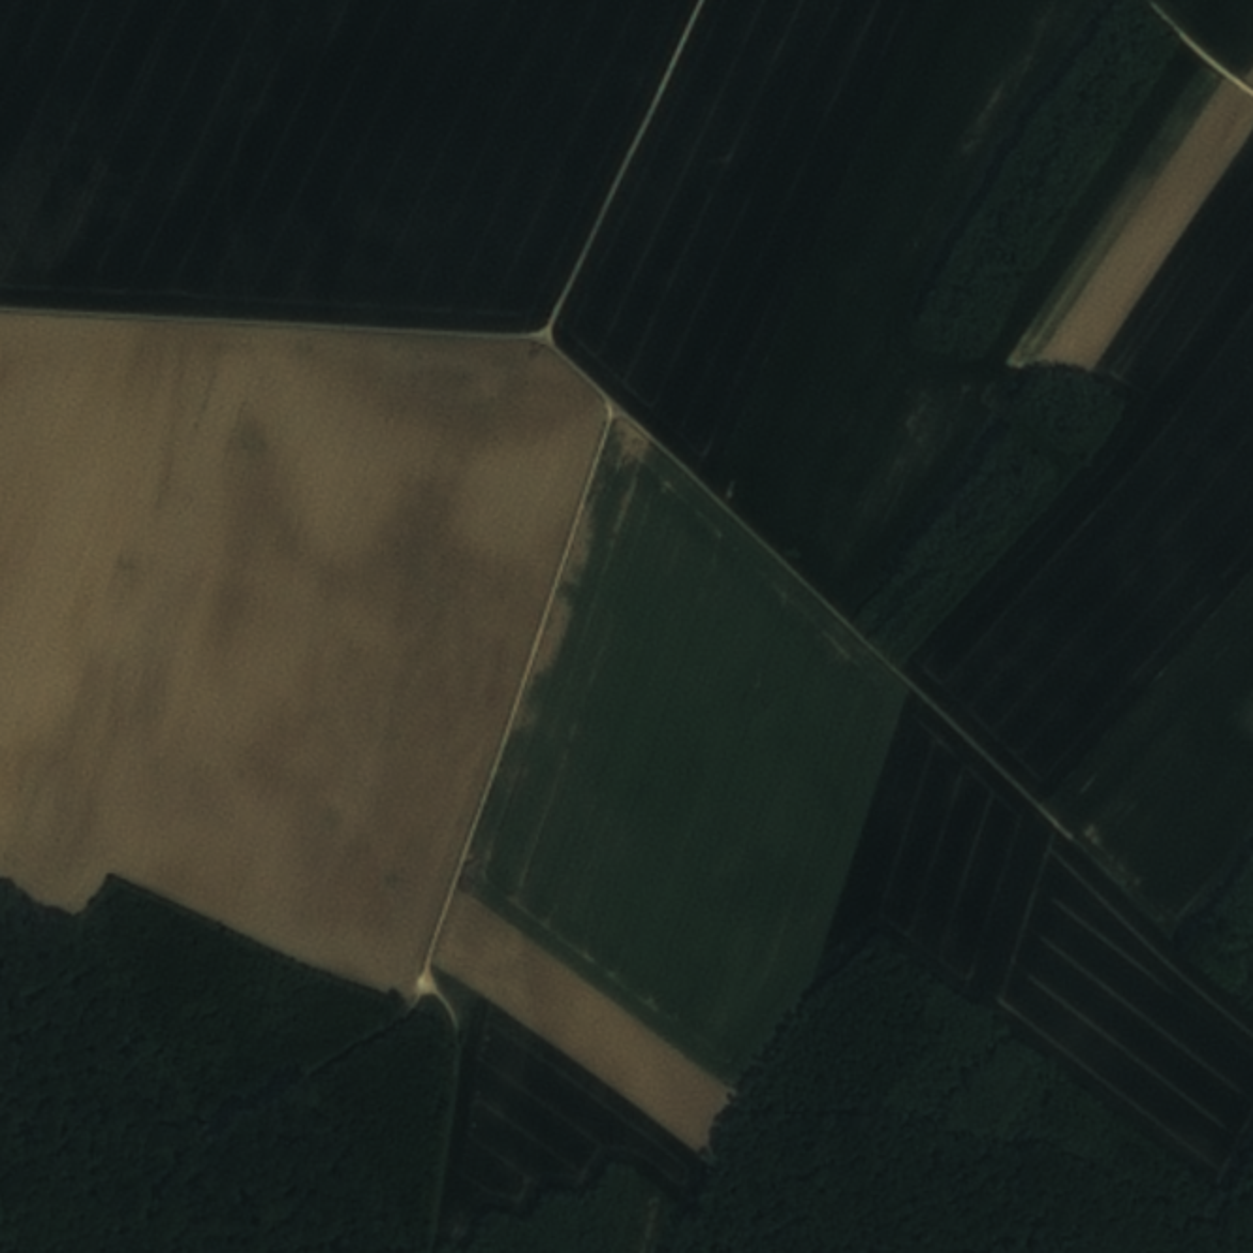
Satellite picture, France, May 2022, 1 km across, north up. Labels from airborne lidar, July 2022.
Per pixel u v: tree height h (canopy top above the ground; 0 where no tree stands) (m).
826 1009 12
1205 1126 0
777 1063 13
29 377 0
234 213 0
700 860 0
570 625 0
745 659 0
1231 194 0
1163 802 0
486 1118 0
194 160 0
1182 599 0
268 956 7
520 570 0
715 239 0
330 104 0
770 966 0
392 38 0
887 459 0
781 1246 19
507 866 0
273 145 0
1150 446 0
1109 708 0
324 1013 8
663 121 0
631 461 0
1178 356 0
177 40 0
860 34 0
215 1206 29
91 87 0
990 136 0
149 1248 29
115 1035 26
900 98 0
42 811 0
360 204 0
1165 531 0
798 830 0
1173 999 0
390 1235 26
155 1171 28
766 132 0
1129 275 0
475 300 0
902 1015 16
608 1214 18
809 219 0
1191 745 0
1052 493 14
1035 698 0
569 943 0
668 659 0
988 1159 24
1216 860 0
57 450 0
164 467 0
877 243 0
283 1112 28
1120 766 0
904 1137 24
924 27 0
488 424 0
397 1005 16
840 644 0
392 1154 13
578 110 0
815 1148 21
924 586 24
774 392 0
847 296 0
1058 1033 0
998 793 0
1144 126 0
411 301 0
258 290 0
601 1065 0
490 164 0
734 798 0
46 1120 30
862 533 0
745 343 0
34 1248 29
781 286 0
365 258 0
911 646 10
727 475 0
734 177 0
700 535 0
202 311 0
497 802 0
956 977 0
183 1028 7
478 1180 0
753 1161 18
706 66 0
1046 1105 15
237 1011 8
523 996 0
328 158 0
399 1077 12
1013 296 15
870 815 0
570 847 0
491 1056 0
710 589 0
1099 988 0
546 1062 0
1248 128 0
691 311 0
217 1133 26
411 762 0
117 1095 25
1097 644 0
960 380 0
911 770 0
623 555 0
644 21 0
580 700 0
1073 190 21
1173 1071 0
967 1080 20
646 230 0
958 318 23
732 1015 0
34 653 0
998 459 24
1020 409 19
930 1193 24
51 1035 30
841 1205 22
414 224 0
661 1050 0
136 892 6
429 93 0
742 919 0
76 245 0
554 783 0
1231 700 0
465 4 0
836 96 0
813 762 0
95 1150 21
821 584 0
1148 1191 10
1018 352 0
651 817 0
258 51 0
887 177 0
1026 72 0
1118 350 0
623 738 0
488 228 0
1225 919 22
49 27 0
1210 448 0
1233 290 0
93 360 0
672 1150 0
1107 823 0
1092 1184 27
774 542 0
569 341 0
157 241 0
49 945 28
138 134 0
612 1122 0
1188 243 0
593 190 0
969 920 0
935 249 0
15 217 0
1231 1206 19
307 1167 31
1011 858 0
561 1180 0
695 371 0
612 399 0
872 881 0
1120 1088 0
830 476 0
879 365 0
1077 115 22
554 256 0
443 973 0
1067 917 0
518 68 0
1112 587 0
